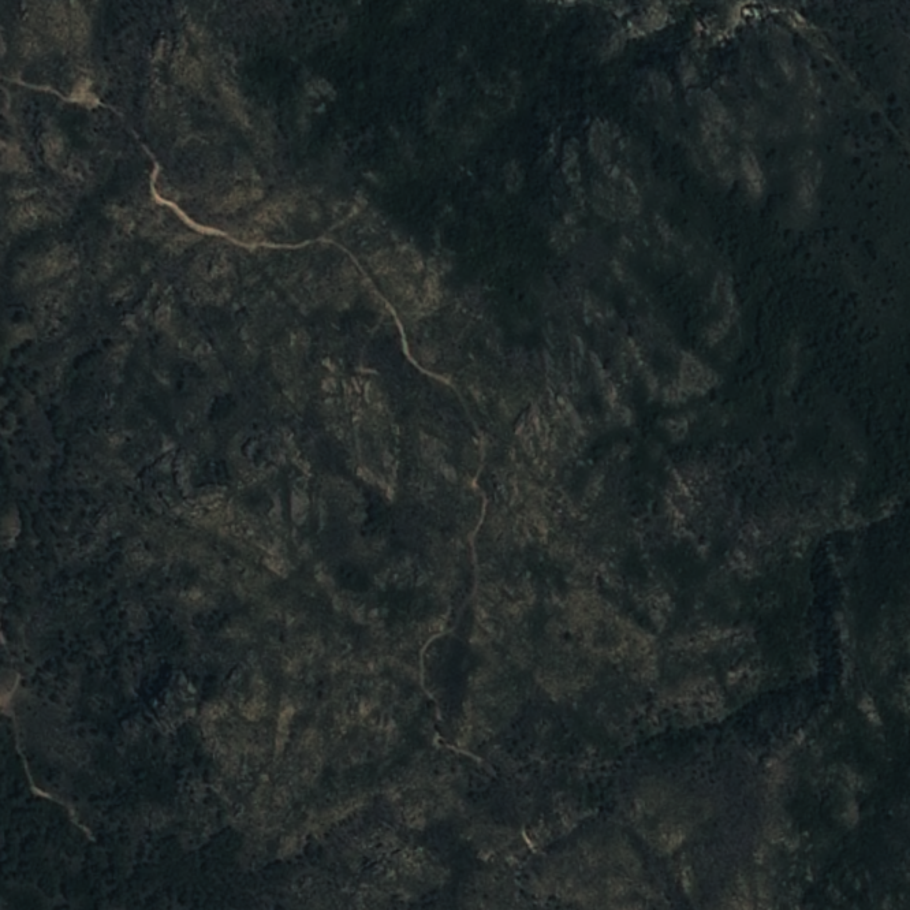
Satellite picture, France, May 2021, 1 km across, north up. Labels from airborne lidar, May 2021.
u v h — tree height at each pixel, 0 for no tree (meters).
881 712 9
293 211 0
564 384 0
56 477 16
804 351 9
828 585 9
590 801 10
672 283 10
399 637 0
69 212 16
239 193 0
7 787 7
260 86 6
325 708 0
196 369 12
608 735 8
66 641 16
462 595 12
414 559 0
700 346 10
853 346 15
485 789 12
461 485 0
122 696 7
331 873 13
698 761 12
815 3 16
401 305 0
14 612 25
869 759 8
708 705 12
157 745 13
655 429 9
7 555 21
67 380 11
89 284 13
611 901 0
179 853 19
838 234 12
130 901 23
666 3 8
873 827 7
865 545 6
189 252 8
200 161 13
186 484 0
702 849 15
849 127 12
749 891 0
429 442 0
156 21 15
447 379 0
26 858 22
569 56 10
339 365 0
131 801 16
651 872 13
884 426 23
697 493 13
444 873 0
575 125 8
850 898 8
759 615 11
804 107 0
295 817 0
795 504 15
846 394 14
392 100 9
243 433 0
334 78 7
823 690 8
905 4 17
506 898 0
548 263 7
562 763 11
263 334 0
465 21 6
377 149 7
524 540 0
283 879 21
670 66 11
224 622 14
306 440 14
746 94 11
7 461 17
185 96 11
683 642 0
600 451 13
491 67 9
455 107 6
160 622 13
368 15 11
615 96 11
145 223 11
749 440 10
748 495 18
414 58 8
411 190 6
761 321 18
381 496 12
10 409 13
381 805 16
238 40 9
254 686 0
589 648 0
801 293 20
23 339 0
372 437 0
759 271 17
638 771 13
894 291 9
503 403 0
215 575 0
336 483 0
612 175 0
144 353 0
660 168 17
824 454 10
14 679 0
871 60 6
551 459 0
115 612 13
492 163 6
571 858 0
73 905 5
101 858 20
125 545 16
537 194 7
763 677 9
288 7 19
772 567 9
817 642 10
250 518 0
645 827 0
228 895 24
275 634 0
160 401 0
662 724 14
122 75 14
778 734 10
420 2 6
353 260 0
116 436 0
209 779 13
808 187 0
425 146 7
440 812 0
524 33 10
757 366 16
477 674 0
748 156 0
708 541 14
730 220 17
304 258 0
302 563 0
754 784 10
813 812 8
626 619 0
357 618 0
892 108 6
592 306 0
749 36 23
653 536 15
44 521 17
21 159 0
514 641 0
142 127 16
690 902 15
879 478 10
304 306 0
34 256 0
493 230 8
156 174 0
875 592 7
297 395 0
